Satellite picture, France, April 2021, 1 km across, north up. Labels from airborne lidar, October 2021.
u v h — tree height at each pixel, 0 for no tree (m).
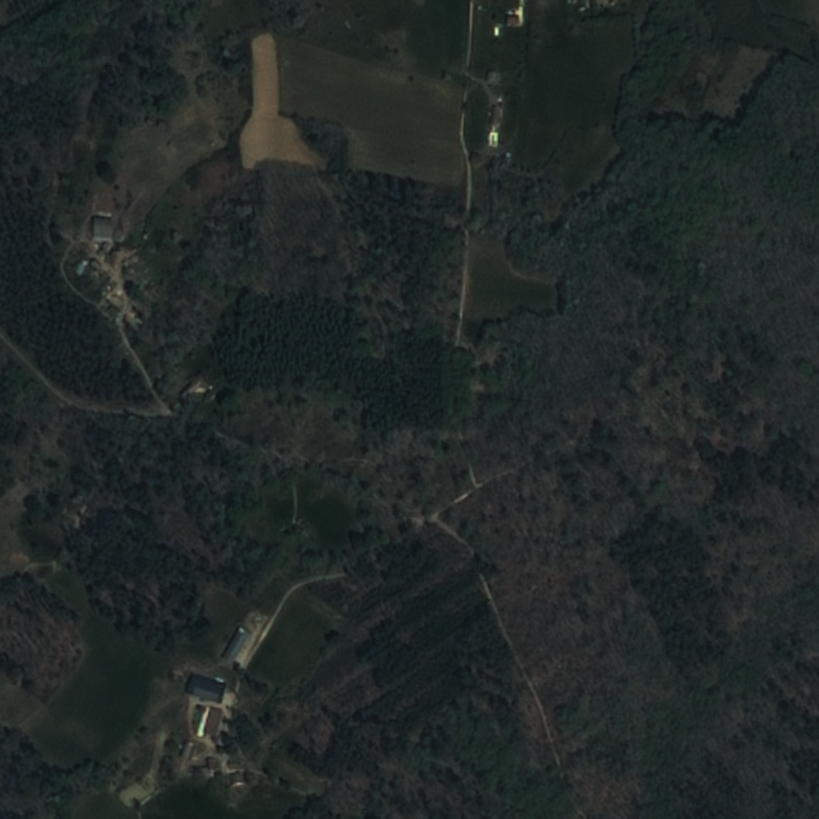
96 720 0
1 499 0
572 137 0
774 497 19
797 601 22
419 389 19
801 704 9
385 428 16
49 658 9
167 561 26
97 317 16
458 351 12
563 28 0
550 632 18
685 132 28
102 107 22
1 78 13
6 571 0
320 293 18
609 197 24
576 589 13
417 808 16
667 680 20
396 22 0
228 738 9
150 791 16
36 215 6
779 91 19
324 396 21
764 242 17
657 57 17
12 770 6
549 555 19
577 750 18
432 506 11
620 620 17
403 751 16
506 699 31
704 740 18
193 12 16
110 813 0
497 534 9
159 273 0
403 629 10
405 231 22
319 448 0
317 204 21
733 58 0
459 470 13
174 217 0
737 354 16
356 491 19
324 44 0
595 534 9
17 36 16
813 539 18
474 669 14
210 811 0
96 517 7
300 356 15
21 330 21
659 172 21
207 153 0
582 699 15
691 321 17
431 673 9
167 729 0
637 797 16
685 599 19
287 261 21
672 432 9
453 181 0
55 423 8
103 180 16
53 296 23
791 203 20
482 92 0
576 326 24
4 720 0
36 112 23
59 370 23
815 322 19
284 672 0
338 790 10
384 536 17
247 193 6
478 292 0
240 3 0
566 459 19
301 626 0
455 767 21
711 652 18
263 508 19
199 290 20
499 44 7
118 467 18
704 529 13
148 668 0
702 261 15
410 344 22
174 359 19
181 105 18
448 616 12
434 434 20
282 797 0
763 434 20
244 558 17
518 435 14
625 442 14
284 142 0
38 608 15
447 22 0
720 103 0
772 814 17
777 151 22
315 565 17
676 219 24
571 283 18
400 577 23
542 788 25
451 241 17
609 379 17
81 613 0
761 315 18
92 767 11
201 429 13
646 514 25
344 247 19
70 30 20
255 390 19
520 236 20
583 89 0
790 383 17
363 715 13
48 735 0
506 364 18
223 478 11
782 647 23
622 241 22
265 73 0
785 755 25
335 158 9
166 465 17
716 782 24
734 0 0
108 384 22
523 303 0
